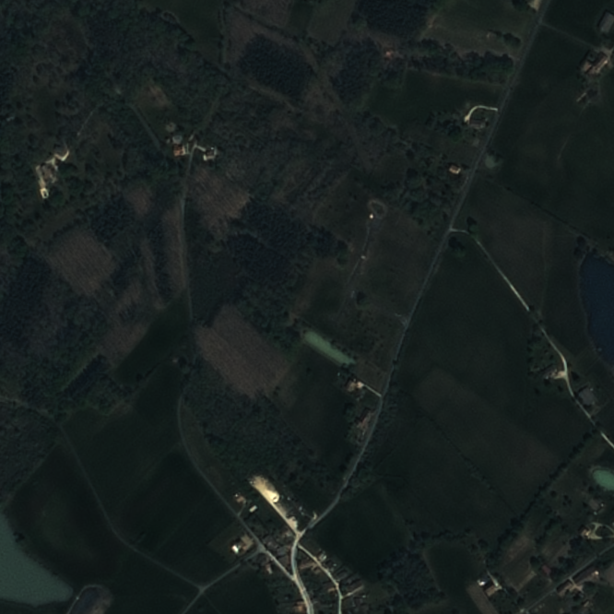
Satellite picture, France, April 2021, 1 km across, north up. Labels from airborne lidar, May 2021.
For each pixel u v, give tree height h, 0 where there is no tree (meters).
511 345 0
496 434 0
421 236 0
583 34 0
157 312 13
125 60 19
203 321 9
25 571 0
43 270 19
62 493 0
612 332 0
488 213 0
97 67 24
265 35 18
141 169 14
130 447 0
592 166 0
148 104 0
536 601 0
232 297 8
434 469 0
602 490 12
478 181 0
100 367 18
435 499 0
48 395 18
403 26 20
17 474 8
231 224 18
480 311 0
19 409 6
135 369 0
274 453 15
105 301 15
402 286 0
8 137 18
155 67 23
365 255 0
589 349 0
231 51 13
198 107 22
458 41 0
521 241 0
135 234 17
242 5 17
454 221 0
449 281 0
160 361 0
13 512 0
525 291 0
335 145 0
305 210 11
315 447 0
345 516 0
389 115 0
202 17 0
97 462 0
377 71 19
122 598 0
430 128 11
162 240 21
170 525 0
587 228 0
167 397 0
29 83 14
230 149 12
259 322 22
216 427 15
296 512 0
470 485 0
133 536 0
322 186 6
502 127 0
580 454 12
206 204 23
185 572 0
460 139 16
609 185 0
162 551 0
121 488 0
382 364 0
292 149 14
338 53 16
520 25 0
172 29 17
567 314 0
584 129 0
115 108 13
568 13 0
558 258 0
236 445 17
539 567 9
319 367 0
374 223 0
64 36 0
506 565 0
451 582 0
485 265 0
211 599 0
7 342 19
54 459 0
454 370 0
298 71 18
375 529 0
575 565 11
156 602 0
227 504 0
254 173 11
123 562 0
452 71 13
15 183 10
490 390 0
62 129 10
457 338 0
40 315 15
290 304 25
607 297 0
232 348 25
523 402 0
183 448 0
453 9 0
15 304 19
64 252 21
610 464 0
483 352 0
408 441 0
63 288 18
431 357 0
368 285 0
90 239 24
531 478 0
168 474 0
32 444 8
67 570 0
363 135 13
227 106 14
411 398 0
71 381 14
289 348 27
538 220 0
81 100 16
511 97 0
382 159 8
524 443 0
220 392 13
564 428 0
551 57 0
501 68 17
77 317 21
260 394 21
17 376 17
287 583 7
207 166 16
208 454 0
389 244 0
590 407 8
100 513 0
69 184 13
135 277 15
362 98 23
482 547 10
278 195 13
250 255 18
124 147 18
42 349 16
